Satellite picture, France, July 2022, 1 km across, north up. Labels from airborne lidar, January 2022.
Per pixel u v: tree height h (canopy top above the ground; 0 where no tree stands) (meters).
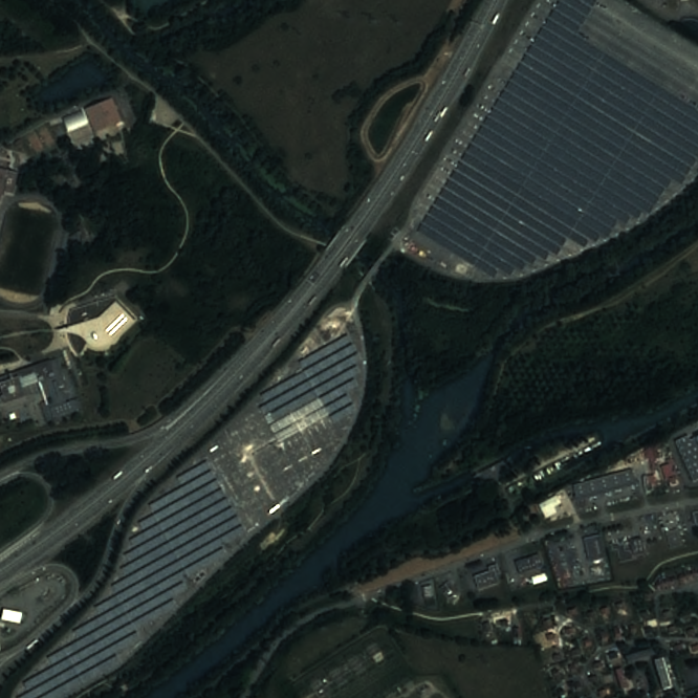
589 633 0
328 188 0
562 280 24
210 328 8
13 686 0
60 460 29
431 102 0
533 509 0
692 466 0
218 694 10
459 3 0
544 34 0
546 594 6
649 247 20
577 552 0
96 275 0
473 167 0
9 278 0
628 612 0
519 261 0
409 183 0
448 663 0
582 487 0
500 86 0
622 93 0
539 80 0
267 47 0
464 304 17
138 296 8
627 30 0
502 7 0
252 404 0
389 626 6
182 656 12
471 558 0
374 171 0
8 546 0
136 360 0
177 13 15
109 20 12
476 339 7
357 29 0
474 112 0
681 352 0
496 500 8
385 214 0
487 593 0
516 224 0
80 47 0
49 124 0
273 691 0
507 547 0
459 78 0
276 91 0
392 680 0
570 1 0
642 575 0
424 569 0
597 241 0
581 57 0
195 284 6
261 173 0
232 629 0
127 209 9
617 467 0
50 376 0
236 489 0
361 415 6
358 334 0
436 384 11
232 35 6
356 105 0
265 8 15
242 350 0
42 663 0
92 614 0
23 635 0
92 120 0
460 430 0
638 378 22
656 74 0
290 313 0
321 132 0
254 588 8
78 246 21
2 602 0
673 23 8
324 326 0
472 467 9
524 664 0
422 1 0
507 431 14
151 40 12
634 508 0
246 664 12
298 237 0
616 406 20
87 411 0
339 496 0
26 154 0
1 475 0
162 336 7
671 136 0
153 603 0
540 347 16
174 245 0
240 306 0
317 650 0
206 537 0
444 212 0
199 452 0
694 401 0
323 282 0
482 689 0
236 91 0
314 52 0
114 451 0
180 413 0
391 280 20
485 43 0
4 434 0
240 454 0
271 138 0
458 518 12
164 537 0
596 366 21
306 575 0
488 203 0
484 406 20
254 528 0
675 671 11
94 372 0
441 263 0
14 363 0
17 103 0
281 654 9
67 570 0
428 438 0
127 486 0
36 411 0
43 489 0
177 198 0
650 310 8
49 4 17
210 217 9
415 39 0
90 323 0
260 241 14
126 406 0
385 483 0
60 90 0
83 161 19
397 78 6
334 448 0
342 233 0
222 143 10
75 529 0
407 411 0
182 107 15
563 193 0
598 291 10
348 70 0
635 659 0
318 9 0
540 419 19
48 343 0
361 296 0
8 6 0
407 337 12
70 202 18
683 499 0
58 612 0
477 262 0
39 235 0
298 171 0
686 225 6
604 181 0
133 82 0
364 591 0
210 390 0
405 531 5
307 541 0
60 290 18
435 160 0
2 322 0
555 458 0
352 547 7
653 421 0
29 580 0
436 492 0
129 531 0
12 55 11
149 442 0
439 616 0
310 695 0
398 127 0
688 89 0
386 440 9
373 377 7
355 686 0
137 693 14
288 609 13
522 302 26
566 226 0
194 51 14
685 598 7
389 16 0
